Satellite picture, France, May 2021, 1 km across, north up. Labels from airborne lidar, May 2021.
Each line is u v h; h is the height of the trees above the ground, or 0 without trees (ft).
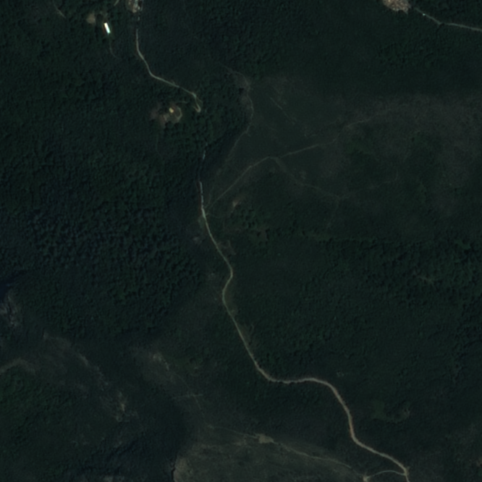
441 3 31
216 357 23
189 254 20
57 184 44
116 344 22
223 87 36
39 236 52
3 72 24
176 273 48
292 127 0
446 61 27
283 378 28
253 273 20
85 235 71
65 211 27
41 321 19
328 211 24
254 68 28
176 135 50
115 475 21
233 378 29
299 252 26
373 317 21
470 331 40
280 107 0
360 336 22
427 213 21
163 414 21
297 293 24
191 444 0
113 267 31
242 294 19
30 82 41
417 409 24
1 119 52
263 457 0
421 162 17
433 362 20
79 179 62
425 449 20
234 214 36
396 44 45
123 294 36
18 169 82
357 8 21
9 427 27
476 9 37
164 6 21
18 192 94
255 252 32
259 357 25
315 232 25
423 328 24
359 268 55
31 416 37
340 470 0
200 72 22
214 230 17
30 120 41
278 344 37
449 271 54
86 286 26
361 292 26
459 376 24
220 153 30
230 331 25
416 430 20
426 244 50
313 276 23
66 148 28
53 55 42
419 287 70
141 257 72
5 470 32
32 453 24
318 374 21
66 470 24
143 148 28
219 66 22
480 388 20
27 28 50
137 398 21
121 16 39
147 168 55
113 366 19
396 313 23
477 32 33
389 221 19
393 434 26
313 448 0
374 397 20
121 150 39
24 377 17
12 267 63
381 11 27
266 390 20
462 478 23
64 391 22
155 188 61
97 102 63
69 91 57
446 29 37
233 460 0
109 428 20
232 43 59
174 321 25
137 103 28
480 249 57
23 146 54
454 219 24
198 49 22
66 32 21
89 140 22
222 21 26
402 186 20
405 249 76
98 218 25
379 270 69
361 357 27
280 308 32
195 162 30
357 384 22
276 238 25
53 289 47
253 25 51
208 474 0
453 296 56
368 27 25
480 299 56
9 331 20
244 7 37
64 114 27
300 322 28
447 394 24
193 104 31
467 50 23
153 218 49
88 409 20
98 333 21
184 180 58
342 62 22
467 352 25
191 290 26
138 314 26
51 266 26
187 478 0
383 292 32
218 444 0
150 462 17
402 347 20
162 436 18
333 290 22
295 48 17
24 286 53
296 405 21
